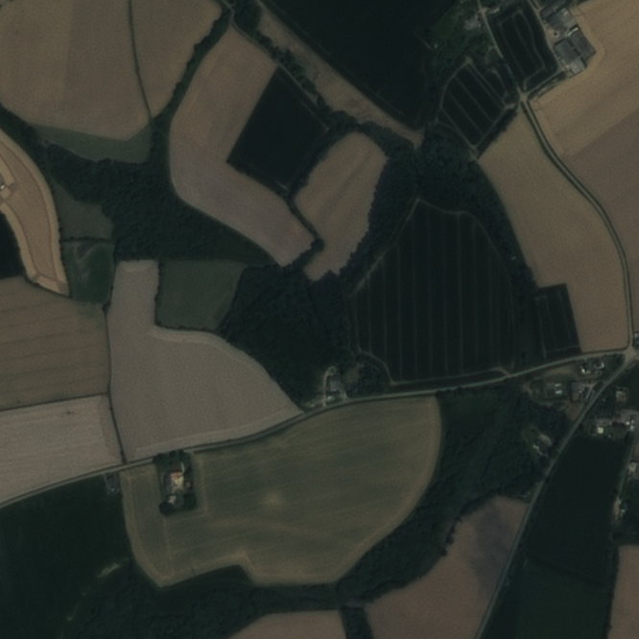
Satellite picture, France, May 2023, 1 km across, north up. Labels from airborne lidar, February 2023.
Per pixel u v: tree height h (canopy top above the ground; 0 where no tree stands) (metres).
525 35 0
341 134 9
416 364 0
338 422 0
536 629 0
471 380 0
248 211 0
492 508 0
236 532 0
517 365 0
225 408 0
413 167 31
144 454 0
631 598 0
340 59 0
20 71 0
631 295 0
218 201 0
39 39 0
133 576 8
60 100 0
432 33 8
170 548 0
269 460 0
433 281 0
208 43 12
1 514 0
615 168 0
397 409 0
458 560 0
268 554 0
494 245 0
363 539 0
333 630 0
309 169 11
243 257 0
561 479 0
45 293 0
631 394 0
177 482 0
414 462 0
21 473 0
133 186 14
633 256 0
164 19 0
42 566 0
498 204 7
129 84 0
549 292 0
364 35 0
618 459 0
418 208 0
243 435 0
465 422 0
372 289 0
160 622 8
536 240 0
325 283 22
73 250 0
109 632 8
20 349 0
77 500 0
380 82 0
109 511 0
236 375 0
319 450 0
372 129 24
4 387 0
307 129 0
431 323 0
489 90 0
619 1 0
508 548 0
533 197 0
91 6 0
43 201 0
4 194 0
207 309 0
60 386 0
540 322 0
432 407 0
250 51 0
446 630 0
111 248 0
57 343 0
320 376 0
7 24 0
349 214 0
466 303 0
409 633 0
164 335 0
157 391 0
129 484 0
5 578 0
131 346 0
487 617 0
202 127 0
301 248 0
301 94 0
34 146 6
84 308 0
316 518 0
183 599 0
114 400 0
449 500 7
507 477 8
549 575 0
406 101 0
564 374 0
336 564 0
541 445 0
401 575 12
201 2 0
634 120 0
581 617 0
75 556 0
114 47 0
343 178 0
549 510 0
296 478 0
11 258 0
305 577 0
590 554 0
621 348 0
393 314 0
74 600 0
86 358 0
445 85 0
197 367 0
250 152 0
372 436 0
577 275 0
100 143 0
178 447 0
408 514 0
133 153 0
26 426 0
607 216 0
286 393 22
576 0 0
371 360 0
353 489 0
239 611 7
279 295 22
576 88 0
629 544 0
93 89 0
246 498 0
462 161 10
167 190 10
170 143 0
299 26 0
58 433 0
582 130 0
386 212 28
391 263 0
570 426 10
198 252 11
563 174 0
